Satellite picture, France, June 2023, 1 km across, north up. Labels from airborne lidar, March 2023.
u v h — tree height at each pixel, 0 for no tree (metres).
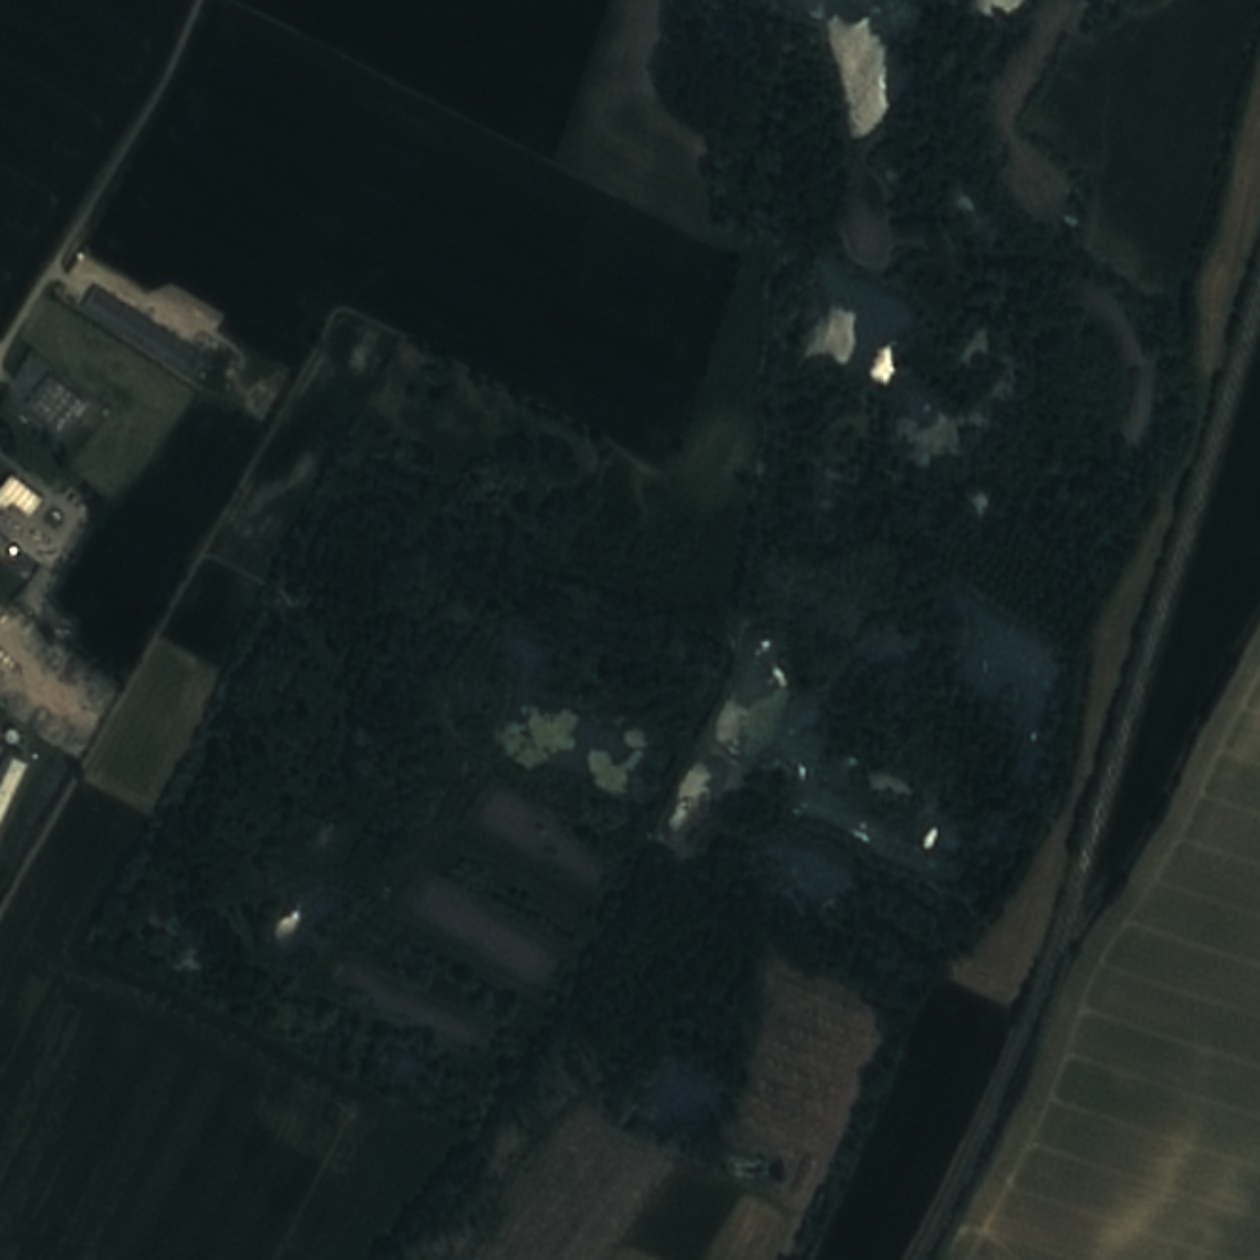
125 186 0
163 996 0
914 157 15
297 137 0
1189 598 0
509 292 0
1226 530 0
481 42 0
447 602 28
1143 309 10
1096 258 25
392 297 0
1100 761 9
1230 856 0
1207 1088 0
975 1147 0
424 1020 0
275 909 7
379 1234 0
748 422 0
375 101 0
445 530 34
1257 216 0
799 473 11
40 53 0
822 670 8
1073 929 0
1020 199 20
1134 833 0
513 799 0
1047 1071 0
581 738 0
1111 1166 0
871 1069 28
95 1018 0
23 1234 0
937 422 0
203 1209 0
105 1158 0
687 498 0
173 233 0
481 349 0
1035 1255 0
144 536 0
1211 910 0
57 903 0
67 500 0
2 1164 0
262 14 0
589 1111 32
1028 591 23
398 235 0
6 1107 0
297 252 0
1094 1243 0
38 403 0
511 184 0
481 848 0
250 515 0
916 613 11
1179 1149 0
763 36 35
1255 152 0
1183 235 0
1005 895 12
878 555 17
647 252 0
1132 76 0
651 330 0
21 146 0
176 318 0
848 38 0
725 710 0
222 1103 0
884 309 0
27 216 0
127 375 0
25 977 0
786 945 32
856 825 0
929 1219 0
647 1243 0
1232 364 0
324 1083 0
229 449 0
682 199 0
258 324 0
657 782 14
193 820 9
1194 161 0
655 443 0
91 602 0
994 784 9
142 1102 0
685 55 36
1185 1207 0
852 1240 0
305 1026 11
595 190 0
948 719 10
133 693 0
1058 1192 0
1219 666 0
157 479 0
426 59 0
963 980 0
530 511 26
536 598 30
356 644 10
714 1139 35
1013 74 22
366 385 0
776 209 12
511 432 0
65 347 0
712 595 0
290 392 0
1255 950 0
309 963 7
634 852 7
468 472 5
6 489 0
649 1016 34
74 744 0
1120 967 0
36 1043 0
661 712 7
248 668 21
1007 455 6
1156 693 0
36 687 0
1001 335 18
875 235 0
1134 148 0
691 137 0
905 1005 9
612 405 0
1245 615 0
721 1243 0
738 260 10
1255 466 0
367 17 0
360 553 18
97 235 0
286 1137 0
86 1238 0
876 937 29
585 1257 30
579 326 0
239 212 0
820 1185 28
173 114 0
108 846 0
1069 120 0
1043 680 0
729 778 0
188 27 0
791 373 8
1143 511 20
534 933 0
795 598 8
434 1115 7
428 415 0
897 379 0
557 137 0
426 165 0
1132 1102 0
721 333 0
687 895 31
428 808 9
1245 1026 0
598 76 0
